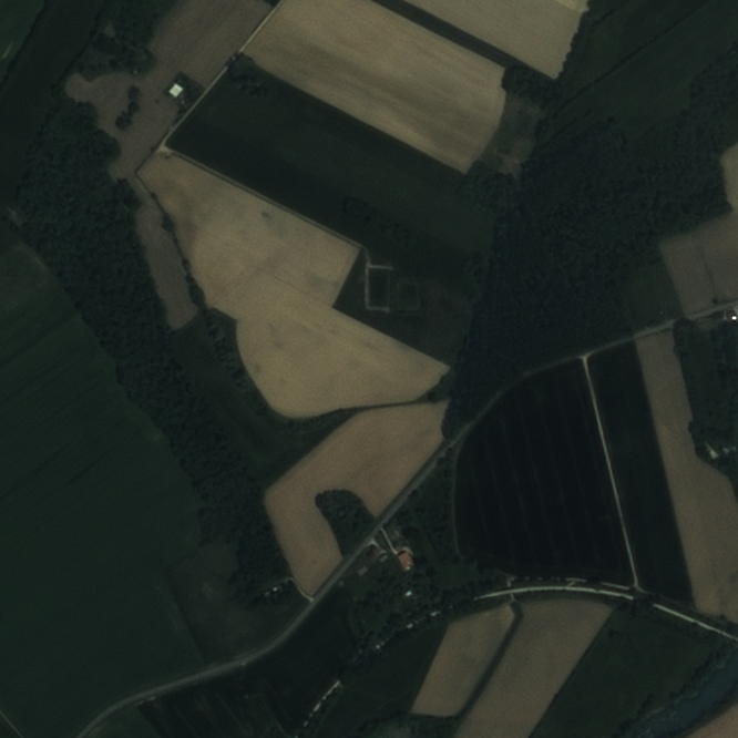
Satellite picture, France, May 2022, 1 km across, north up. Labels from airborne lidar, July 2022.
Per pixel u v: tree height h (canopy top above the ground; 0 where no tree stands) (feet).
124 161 0
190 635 0
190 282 54
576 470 0
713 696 0
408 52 0
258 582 60
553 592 24
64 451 0
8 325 0
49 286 0
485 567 54
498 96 0
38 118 0
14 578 0
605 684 0
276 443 0
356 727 0
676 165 45
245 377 62
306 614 0
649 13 0
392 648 35
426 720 30
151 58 34
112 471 0
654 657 0
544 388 0
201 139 0
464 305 0
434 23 0
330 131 0
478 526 0
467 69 0
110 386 0
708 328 0
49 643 0
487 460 0
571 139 19
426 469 0
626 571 0
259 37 0
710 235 0
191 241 0
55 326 0
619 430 0
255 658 0
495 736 0
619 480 0
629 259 72
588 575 0
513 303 125
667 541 0
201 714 0
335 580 0
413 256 0
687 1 0
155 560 0
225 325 0
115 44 75
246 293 0
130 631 0
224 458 86
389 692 0
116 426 0
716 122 19
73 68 25
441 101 0
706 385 0
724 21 0
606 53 0
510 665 0
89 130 63
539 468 0
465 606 41
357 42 0
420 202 0
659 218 68
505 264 117
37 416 0
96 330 62
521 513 0
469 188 22
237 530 52
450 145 0
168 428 61
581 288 83
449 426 65
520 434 0
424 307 0
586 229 87
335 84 0
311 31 0
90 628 0
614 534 0
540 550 0
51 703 0
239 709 0
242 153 0
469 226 0
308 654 0
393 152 0
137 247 92
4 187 0
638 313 0
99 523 0
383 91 0
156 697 0
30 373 0
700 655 0
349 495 26
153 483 0
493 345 119
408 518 59
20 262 0
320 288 0
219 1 0
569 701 0
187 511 0
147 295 59
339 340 0
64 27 0
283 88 0
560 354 95
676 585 0
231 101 0
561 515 0
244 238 0
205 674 0
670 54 0
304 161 0
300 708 0
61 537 0
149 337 93
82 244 72
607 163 111
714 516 0
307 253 0
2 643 0
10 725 0
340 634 0
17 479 0
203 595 0
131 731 0
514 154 0
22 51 33
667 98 0
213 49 0
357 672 71
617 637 43
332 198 0
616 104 0
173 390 106
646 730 0
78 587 0
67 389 0
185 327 0
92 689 0
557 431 0
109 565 0
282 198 0
